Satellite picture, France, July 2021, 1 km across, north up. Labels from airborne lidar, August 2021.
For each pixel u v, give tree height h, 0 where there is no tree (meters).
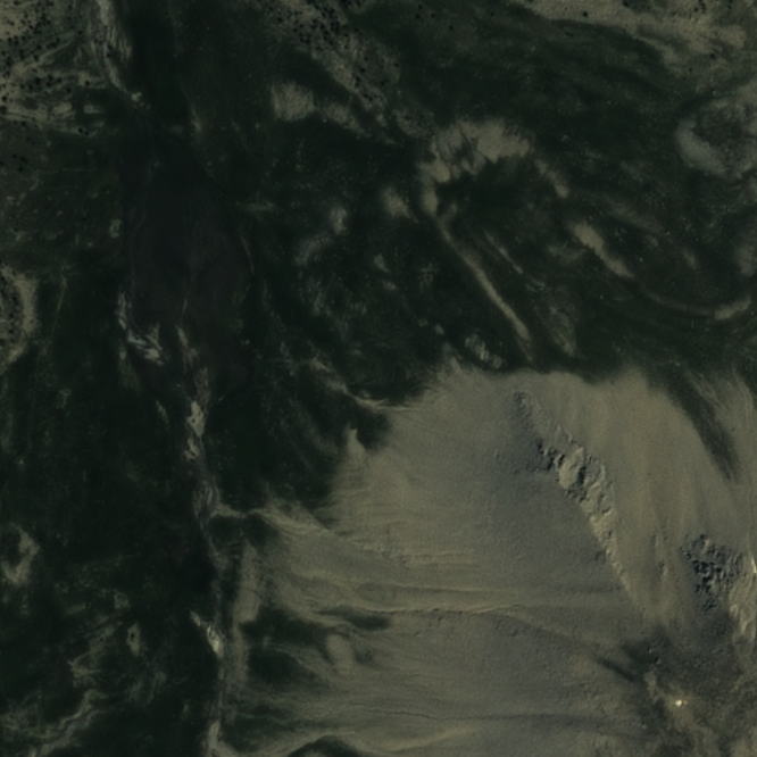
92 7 0
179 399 0
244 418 0
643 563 0
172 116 0
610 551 0
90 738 0
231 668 0
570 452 0
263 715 0
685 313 0
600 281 0
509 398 0
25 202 0
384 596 0
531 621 0
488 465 0
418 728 0
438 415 0
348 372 0
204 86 0
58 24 0
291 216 0
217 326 0
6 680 0
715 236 0
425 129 0
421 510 0
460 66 0
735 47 0
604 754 0
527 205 0
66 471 0
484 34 0
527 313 0
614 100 0
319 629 0
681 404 0
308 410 0
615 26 0
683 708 0
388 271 0
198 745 0
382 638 0
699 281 0
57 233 0
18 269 0
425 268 0
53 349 0
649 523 0
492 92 0
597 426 0
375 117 0
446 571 0
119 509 0
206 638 0
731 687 0
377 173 0
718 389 0
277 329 0
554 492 0
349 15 0
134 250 0
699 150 0
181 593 0
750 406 0
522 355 0
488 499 0
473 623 0
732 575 0
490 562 0
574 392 0
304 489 0
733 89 0
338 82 0
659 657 0
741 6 0
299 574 0
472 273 0
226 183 0
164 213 0
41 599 0
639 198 0
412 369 0
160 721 0
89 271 0
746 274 0
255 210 0
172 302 0
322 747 0
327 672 0
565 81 0
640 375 0
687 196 0
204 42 0
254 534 0
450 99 0
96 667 0
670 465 0
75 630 0
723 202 0
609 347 0
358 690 0
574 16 0
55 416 0
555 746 0
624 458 0
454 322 0
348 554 0
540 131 0
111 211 0
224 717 0
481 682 0
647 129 0
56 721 0
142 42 0
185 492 0
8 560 0
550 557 0
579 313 0
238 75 0
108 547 0
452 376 0
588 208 0
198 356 0
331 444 0
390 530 0
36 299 0
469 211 0
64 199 0
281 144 0
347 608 0
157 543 0
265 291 0
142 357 0
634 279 0
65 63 0
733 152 0
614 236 0
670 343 0
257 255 0
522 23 0
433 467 0
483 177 0
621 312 0
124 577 0
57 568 0
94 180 0
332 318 0
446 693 0
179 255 0
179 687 0
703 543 0
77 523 0
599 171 0
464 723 0
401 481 0
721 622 0
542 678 0
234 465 0
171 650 0
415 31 0
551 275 0
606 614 0
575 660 0
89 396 0
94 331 0
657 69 0
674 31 0
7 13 0
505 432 0
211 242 0
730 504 0
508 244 0
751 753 0
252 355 0
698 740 0
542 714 0
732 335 0
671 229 0
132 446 0
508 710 0
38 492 0
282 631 0
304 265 0
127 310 0
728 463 0
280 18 6
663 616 0
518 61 0
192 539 0
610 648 0
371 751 0
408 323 0
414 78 0
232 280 0
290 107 0
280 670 0
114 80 0
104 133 0
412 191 0
